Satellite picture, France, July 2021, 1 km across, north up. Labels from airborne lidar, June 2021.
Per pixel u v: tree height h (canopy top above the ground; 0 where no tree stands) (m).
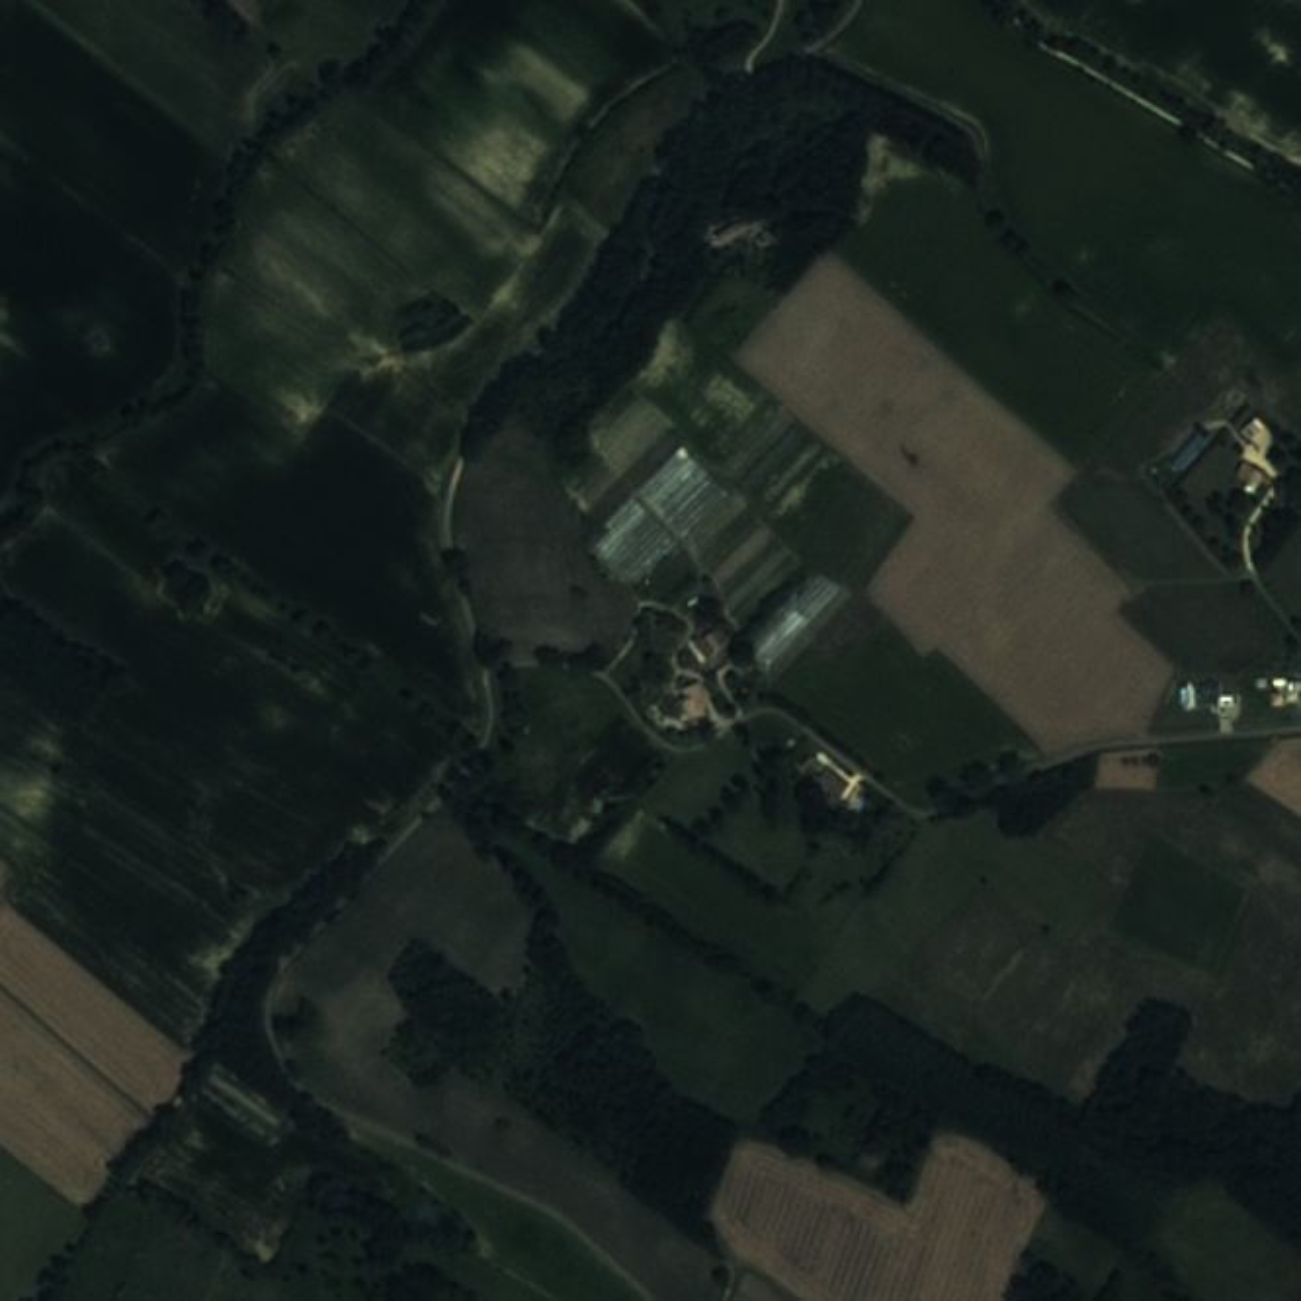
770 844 0
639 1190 8
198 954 0
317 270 0
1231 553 7
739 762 0
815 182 20
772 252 9
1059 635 0
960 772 0
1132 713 0
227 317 0
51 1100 0
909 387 0
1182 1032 21
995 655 0
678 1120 22
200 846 0
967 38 0
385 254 0
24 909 0
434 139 0
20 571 0
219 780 0
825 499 0
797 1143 22
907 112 16
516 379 22
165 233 0
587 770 0
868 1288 0
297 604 0
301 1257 0
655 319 18
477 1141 0
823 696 0
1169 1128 18
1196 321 0
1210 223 0
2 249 0
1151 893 0
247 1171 0
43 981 0
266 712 0
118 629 0
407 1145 0
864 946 0
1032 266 0
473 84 0
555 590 0
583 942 0
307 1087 0
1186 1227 0
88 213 0
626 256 21
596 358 10
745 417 0
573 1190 0
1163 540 0
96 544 0
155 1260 0
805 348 0
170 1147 0
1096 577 0
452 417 0
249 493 0
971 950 0
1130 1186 27
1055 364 0
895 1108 9
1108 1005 0
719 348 0
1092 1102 11
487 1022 16
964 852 0
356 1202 15
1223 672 0
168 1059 0
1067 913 0
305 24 0
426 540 0
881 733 0
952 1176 0
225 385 0
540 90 0
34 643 36
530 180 0
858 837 28
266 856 0
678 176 18
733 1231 0
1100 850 0
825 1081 11
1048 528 0
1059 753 0
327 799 0
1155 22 0
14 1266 0
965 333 0
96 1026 0
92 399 0
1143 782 0
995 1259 0
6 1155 0
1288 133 0
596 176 0
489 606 0
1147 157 0
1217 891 0
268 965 19
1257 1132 21
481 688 0
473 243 0
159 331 0
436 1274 19
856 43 0
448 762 0
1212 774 0
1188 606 0
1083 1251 0
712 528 0
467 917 0
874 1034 26
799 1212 0
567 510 0
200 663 0
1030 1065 0
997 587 0
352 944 0
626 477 0
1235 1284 0
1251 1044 0
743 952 0
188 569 21
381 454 0
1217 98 0
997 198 0
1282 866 0
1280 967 0
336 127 0
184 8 0
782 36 0
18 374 0
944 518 0
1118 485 0
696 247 11
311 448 0
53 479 0
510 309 0
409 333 9
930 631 0
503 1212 0
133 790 0
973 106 0
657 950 0
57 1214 0
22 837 0
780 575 0
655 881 0
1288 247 0
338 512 0
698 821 0
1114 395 0
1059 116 0
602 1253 0
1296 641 8
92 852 0
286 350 0
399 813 0
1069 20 0
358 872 16
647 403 0
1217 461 0
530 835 8
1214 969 0
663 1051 0
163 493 0
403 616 0
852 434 0
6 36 0
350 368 0
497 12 0
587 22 0
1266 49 0
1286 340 0
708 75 8
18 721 0
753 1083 0
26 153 0
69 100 0
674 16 0
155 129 0
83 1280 0
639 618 6
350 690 0
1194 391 0
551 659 16
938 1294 0
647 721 6
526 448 0
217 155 0
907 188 0
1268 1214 21
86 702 31
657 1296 0
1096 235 0
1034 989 0
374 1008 0
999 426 0
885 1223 0
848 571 0
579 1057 13
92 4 0
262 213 0
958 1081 29
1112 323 0
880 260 0
